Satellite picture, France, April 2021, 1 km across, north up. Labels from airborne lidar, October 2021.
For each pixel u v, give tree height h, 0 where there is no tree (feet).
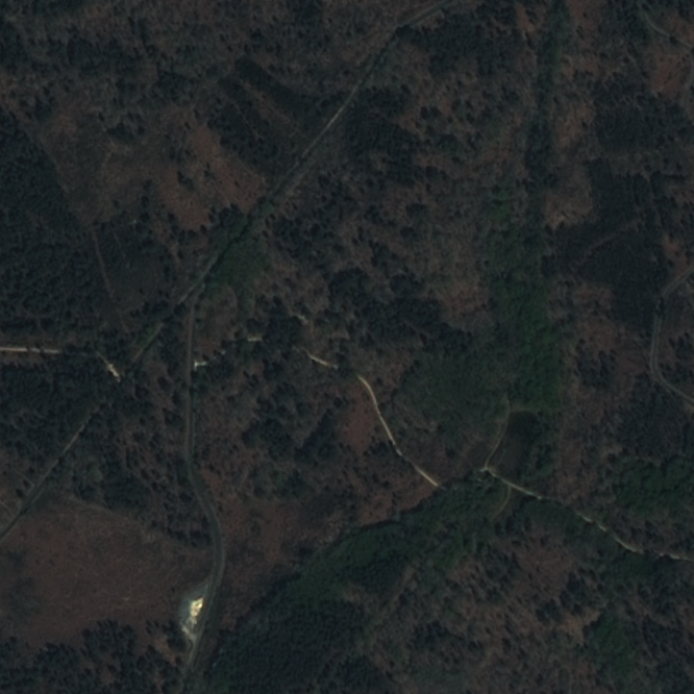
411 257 37
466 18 44
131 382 41
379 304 54
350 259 33
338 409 32
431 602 55
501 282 60
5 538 0
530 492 72
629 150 32
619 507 19
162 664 62
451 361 69
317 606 68
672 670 55
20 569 0
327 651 21
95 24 26
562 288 44
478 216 49
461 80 49
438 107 40
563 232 43
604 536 21
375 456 42
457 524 75
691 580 31
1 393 24
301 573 51
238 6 21
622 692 51
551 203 0
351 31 25
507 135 26
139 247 27
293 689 59
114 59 62
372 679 83
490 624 61
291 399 62
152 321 68
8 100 23
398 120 28
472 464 0
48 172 75
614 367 55
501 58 0
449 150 83
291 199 27
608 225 48
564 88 36
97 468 44
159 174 0
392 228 19
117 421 70
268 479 49
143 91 35
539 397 87
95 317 56
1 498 22
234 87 25
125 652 49
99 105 37
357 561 83
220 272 63
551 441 51
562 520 57
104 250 24
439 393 52
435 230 59
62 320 27
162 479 22
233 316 44
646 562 43
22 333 77
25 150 65
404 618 33
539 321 83
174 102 35
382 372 26
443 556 72
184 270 32
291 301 38
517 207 43
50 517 0
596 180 36
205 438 26
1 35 56
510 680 32
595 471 27
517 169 28
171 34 48
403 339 61
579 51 59
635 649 57
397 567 89
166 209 42
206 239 60
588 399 0
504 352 67
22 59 73
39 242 55
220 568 0
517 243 67
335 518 22
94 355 60
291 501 60
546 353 78
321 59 21
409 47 69
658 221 42
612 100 42
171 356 72
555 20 69
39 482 31
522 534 51
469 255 35
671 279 47
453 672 38
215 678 62
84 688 70
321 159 43
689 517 43
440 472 0
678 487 37
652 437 57
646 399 50
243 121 35
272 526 0
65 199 80
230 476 35
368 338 29
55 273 60
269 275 66
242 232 59
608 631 51
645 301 38
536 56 0
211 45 36
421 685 60
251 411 65
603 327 30
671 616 62
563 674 25
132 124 56
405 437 60
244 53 31
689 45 39
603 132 37
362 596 31
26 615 0
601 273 47
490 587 39
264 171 26
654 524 43
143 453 38
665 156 62
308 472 31
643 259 44
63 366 30
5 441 67
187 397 59
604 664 59
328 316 19
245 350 78
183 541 62
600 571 50
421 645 67
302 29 38
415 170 31
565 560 23
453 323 45
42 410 76
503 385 67
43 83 42
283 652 79
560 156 48
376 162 22
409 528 80
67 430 68
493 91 39
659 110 86
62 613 0
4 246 74
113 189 0
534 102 53
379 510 31
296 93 28
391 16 31
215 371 55
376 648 28
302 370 39
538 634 33
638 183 54
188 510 81
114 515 79
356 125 35
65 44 50
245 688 96
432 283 48
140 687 60
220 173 0
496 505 56
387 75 75
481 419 48
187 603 0
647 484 71
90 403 78
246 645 80
